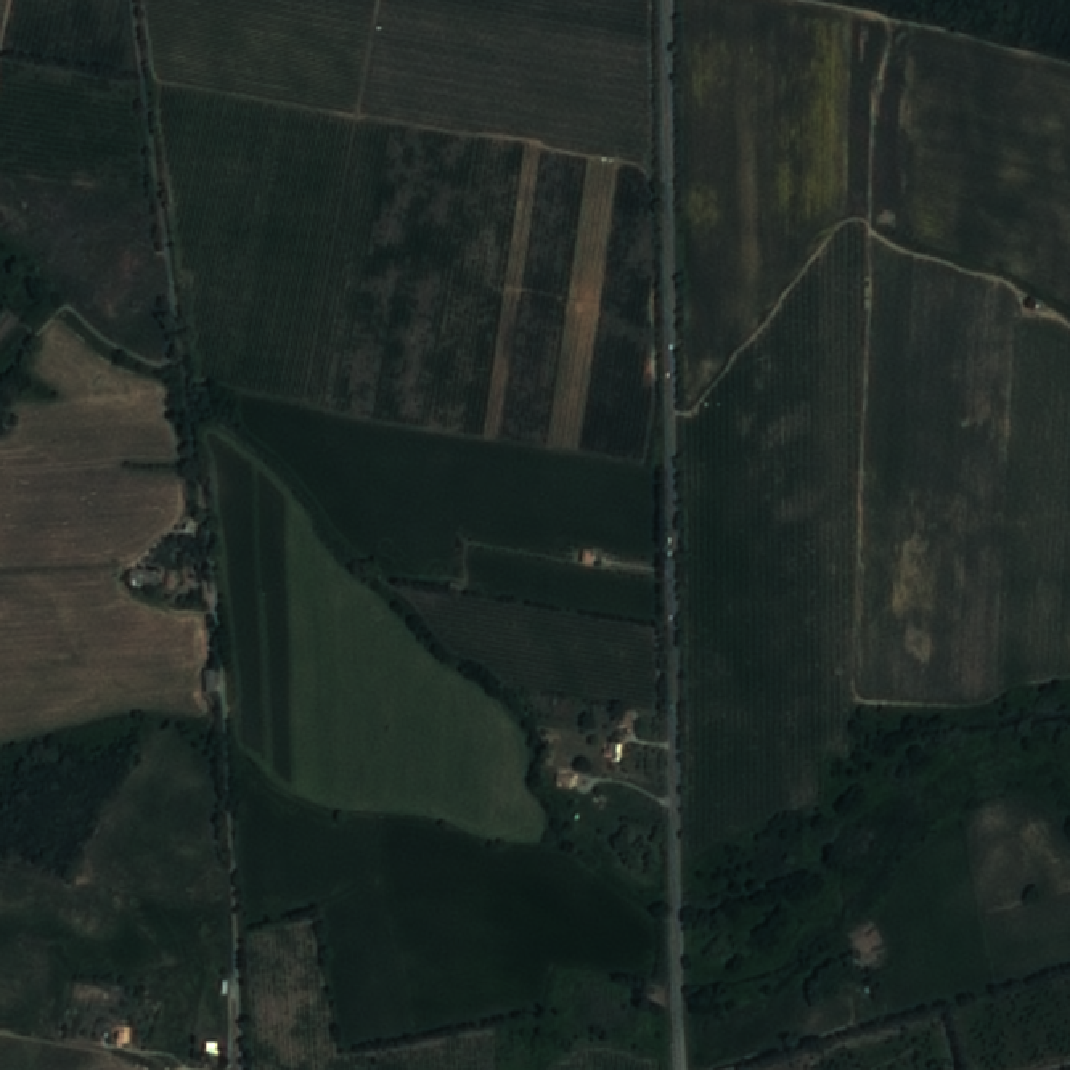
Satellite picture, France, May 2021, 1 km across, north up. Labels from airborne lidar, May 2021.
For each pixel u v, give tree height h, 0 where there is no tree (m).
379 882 0
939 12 12
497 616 0
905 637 0
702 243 0
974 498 0
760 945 9
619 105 0
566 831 11
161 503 0
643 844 8
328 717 0
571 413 0
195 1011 0
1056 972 15
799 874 9
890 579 0
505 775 0
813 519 0
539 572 0
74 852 8
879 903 0
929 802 0
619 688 0
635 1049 9
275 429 0
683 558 9
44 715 0
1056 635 0
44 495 0
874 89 0
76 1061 0
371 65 0
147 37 7
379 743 0
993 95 0
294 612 0
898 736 11
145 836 0
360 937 0
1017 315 0
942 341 0
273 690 0
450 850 0
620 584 0
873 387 0
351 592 0
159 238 12
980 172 0
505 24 0
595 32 0
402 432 0
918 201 0
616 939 0
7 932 0
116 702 0
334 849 0
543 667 0
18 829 7
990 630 0
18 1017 0
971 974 0
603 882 0
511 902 0
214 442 0
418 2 0
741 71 0
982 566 0
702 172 0
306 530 0
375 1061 9
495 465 0
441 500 0
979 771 0
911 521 0
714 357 0
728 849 7
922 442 0
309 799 0
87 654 0
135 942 0
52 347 0
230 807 10
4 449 0
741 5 0
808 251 0
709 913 8
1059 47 7
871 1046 0
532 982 0
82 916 0
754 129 0
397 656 0
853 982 7
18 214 0
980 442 0
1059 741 11
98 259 0
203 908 0
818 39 0
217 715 9
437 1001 0
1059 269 0
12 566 0
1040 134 0
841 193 0
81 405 0
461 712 0
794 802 0
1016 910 0
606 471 0
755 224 0
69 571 0
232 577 0
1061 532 0
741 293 0
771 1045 0
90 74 17
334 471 0
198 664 0
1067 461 0
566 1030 0
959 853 0
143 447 0
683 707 6
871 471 0
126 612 0
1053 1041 7
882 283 0
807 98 0
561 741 0
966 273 0
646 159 0
